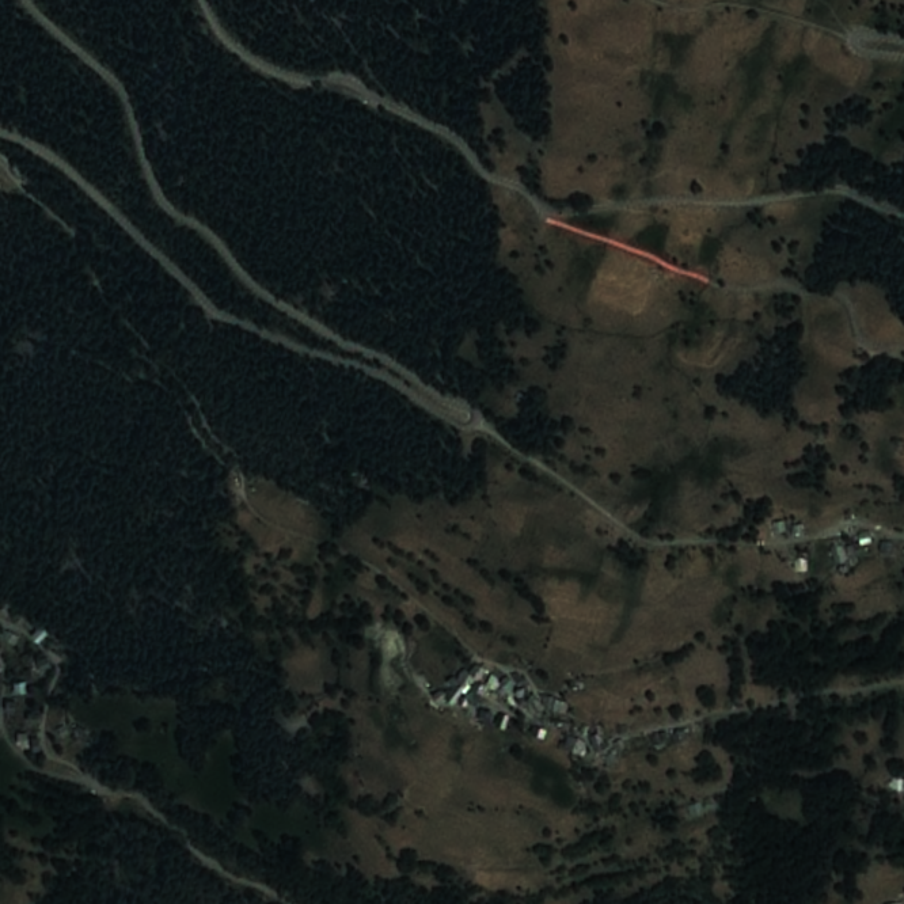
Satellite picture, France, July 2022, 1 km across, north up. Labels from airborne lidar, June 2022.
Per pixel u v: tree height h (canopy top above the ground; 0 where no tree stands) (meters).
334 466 9
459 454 18
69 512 20
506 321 13
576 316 0
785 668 22
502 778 0
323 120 20
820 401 0
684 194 0
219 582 18
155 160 14
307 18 16
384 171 12
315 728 19
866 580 0
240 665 16
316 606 0
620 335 0
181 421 16
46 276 7
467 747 0
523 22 9
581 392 0
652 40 0
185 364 22
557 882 6
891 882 0
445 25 22
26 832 0
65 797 19
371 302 22
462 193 22
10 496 20
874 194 16
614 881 15
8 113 8
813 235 0
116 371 11
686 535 0
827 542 0
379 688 0
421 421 19
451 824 0
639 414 0
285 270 14
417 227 9
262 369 17
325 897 15
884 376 17
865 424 0
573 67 0
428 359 21
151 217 15
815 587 15
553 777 0
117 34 22
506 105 15
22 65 19
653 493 0
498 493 0
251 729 25
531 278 0
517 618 0
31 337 10
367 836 0
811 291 14
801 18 0
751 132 0
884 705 16
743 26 0
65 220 13
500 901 7
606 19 0
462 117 23
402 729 0
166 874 26
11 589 20
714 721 0
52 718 0
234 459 16
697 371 0
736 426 0
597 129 0
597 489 0
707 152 0
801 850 22
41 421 21
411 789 0
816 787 23
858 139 0
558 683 0
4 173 0
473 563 9
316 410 18
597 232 0
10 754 0
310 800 17
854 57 0
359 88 0
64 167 0
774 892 21
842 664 12
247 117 16
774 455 0
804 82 0
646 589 0
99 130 11
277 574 8
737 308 0
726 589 0
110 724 0
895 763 11
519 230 0
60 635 10
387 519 0
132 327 11
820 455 14
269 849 16
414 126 8
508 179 0
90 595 18
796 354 18
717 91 0
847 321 0
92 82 21
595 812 11
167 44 14
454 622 0
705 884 17
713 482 0
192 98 17
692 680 0
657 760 9
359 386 25
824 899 16
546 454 14
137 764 13
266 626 16
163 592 18
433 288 22
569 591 0
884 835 13
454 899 14
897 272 22
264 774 20
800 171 15
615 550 8
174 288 17
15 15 23
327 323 14
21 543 26
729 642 13
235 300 23
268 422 15
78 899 16
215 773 0
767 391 18
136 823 7
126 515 25
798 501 0
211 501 19
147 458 21
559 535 0
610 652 0
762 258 0
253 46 11
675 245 0
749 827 17
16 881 14
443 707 0
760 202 0
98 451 16
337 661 11
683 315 0
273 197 21
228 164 22
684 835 0
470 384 25
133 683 17
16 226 22
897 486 9
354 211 16
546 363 13
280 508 0
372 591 0
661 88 0
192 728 23
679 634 0
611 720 0
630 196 0
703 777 11
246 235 18
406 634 11
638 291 0
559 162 0
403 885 12
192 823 21
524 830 0
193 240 13
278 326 19
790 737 21
